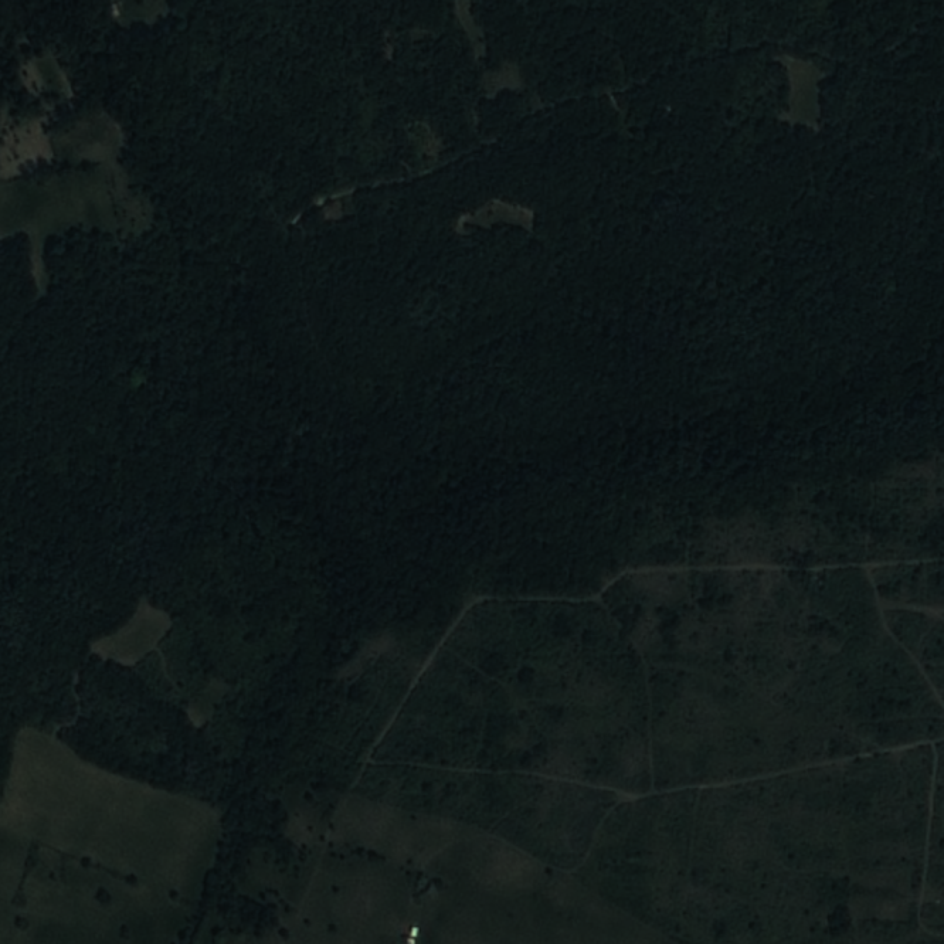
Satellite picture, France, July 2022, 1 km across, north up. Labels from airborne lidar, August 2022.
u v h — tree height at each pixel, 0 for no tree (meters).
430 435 14
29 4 20
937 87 13
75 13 22
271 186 7
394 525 20
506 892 0
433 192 11
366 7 9
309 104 8
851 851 0
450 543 18
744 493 8
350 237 10
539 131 11
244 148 13
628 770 0
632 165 8
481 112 10
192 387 23
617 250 11
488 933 0
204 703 0
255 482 11
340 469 21
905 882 0
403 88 8
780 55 11
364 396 8
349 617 22
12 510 17
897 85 16
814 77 0
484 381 15
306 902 0
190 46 12
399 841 0
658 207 19
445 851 0
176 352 20
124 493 16
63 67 21
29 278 17
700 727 0
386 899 0
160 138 15
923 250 14
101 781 0
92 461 10
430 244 11
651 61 10
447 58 10
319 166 8
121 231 7
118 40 25
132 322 14
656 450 28
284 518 21
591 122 14
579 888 0
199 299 13
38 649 10
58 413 10
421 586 17
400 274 14
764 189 13
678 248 10
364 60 10
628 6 11
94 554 17
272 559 20
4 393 10
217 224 15
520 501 13
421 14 11
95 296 12
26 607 15
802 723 0
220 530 22
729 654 8
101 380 19
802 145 13
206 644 6
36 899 0
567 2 9
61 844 0
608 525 6
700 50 9
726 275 15
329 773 7
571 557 7
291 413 25
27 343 17
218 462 22
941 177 16
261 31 8
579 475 21
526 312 11
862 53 15
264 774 19
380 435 15
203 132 8
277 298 13
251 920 15
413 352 10
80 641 9
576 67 12
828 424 26
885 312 11
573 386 15
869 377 23
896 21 12
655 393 12
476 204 9
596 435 20
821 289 16
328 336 9
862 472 8
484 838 0
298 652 13
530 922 0
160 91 14
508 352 20
